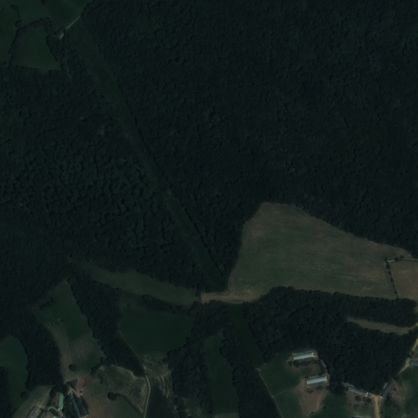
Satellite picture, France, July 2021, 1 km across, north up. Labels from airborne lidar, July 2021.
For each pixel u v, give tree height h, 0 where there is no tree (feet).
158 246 90
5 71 79
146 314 0
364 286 0
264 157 69
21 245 56
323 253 0
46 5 54
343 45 64
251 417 38
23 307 57
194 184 98
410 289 0
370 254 0
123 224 105
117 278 0
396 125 85
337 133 85
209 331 74
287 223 0
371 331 68
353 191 89
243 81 78
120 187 119
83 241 85
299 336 99
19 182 42
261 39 75
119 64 39
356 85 71
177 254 85
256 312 59
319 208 76
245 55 92
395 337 78
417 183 65
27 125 93
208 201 104
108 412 0
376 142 81
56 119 77
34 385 65
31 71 60
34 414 0
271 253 0
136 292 0
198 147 53
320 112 66
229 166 44
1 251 80
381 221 67
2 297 78
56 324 0
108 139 84
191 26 81
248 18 82
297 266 0
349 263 0
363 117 78
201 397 60
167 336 0
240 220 74
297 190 69
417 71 107
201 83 89
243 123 83
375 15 44
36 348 80
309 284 0
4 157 89
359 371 101
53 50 58
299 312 70
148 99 41
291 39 52
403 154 90
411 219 66
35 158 91
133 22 66
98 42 46
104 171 129
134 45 63
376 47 51
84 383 0
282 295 58
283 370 0
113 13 78
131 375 0
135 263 77
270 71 79
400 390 0
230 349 70
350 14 47
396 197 61
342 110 73
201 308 59
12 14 0
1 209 83
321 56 73
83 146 85
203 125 94
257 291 0
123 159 108
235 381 67
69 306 0
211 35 87
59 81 58
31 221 76
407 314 55
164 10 104
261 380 57
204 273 81
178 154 76
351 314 59
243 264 0
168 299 0
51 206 91
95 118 96
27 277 56
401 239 71
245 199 100
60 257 78
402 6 59
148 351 0
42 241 53
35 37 0
